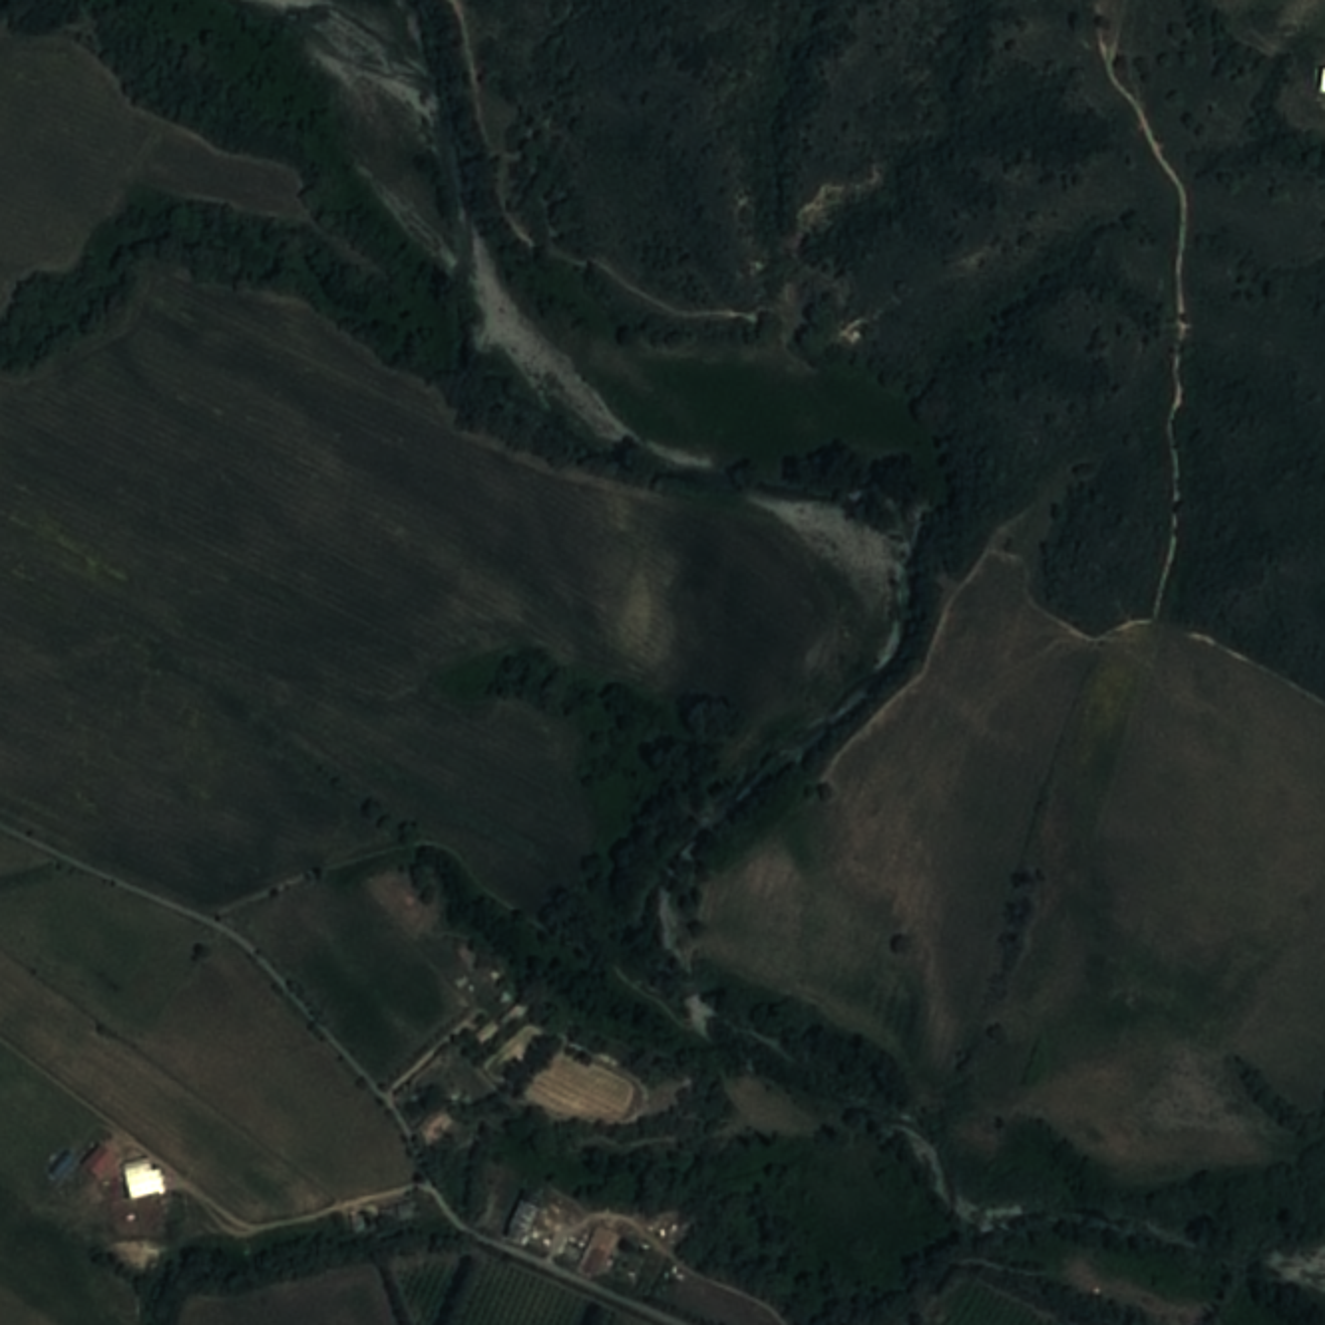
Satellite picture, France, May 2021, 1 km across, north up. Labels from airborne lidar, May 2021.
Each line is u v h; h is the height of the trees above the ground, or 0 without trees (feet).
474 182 56
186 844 0
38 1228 0
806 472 109
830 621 0
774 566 0
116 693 0
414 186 0
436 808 0
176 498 0
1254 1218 24
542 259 50
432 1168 42
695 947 0
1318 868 0
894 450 0
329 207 20
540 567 0
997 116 32
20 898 0
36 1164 0
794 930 0
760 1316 0
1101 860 0
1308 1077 0
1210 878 0
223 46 39
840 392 0
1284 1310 64
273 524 0
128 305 30
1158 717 0
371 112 0
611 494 0
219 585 0
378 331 49
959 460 27
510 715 0
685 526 0
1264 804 0
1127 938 0
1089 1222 28
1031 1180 21
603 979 60
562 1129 30
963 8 19
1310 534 18
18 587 0
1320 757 0
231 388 0
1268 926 0
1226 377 20
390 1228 32
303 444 0
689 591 0
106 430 0
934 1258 44
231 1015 0
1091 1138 0
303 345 0
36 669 0
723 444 0
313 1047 0
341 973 0
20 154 0
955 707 0
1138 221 36
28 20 23
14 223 0
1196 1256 28
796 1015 21
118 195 0
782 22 22
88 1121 0
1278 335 0
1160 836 0
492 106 0
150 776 0
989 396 21
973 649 0
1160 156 0
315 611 0
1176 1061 0
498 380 35
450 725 0
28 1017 0
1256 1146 0
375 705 0
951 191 18
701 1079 35
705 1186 22
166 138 0
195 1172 0
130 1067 0
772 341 40
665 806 91
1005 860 0
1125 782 0
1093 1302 33
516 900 0
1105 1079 0
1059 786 0
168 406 0
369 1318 0
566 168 18
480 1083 0
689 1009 24
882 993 0
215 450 0
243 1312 0
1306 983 0
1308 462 25
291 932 0
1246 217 0
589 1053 31
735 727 100
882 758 0
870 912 0
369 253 26
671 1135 47
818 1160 0
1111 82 0
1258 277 21
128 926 0
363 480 0
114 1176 0
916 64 24
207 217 37
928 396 47
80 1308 0
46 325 44
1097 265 22
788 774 47
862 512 77
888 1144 41
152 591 0
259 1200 0
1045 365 19
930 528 41
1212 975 0
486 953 41
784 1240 65
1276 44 0
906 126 18
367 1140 0
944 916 0
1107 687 0
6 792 0
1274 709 0
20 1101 0
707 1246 34
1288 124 38
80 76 0
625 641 0
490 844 0
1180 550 21
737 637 0
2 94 0
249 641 0
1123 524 23
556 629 0
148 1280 36
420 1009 0
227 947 0
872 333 29
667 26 26
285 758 0
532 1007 34
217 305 0
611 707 53
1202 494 18
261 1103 0
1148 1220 23
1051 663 0
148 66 23
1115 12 0
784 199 36
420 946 0
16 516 0
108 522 0
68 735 0
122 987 0
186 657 0
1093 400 25
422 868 34
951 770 0
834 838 0
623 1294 27
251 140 21
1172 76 0
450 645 0
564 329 0
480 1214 27
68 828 0
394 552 0
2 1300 0
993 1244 37
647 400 0
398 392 0
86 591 0
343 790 20
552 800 0
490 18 0
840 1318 54
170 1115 0
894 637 0
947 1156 21
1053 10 0
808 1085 43
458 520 0
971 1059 39
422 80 0
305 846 0
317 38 0
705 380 0
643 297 0
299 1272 24
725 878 0
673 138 28
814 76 22
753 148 28
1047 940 0
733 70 27
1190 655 0
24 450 0
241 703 0
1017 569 0
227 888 0
